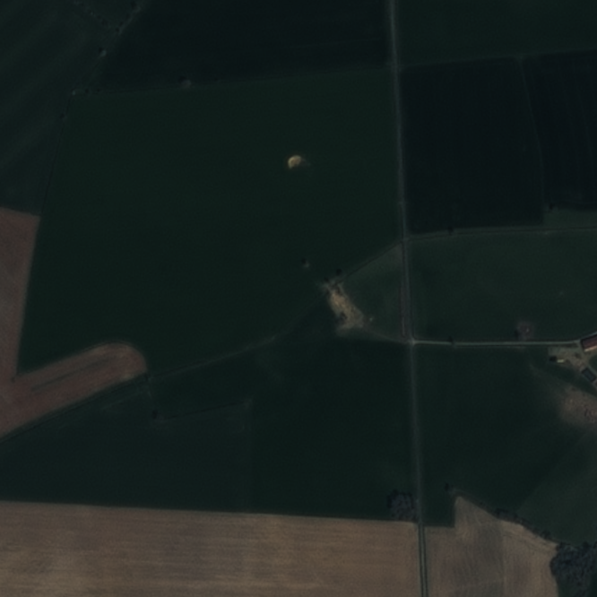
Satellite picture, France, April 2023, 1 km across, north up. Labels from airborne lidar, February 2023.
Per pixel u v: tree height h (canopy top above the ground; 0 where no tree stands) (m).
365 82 0
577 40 0
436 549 0
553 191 0
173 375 0
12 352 0
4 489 0
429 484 0
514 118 0
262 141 0
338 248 0
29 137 0
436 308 0
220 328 0
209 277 0
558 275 0
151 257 0
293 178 0
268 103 0
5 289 0
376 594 0
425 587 0
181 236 0
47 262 0
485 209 0
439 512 0
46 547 0
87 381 0
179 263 0
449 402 0
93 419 0
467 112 0
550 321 0
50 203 0
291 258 0
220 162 0
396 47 0
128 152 0
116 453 0
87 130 0
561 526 0
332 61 0
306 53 0
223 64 0
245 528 0
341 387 0
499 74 0
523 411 0
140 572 0
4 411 0
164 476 0
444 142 0
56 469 0
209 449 0
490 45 0
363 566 0
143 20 0
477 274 0
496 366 0
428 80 0
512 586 0
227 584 0
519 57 0
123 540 0
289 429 0
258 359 0
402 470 0
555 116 0
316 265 0
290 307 0
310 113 0
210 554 0
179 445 0
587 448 0
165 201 0
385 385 0
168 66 0
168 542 0
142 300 0
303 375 0
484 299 0
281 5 0
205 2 0
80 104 0
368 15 0
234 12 0
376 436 0
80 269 0
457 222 0
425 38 0
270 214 0
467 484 0
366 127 0
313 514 0
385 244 0
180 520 0
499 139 0
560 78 0
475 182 0
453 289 0
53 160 0
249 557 0
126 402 0
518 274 0
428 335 0
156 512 0
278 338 0
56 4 0
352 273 0
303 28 0
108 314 0
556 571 14
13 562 0
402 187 0
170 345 0
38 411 0
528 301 0
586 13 0
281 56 0
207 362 0
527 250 0
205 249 0
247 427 0
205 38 0
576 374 0
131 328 0
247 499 0
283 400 0
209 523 0
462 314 0
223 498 0
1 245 0
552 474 0
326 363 0
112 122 0
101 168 0
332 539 0
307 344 0
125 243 0
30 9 0
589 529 0
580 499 0
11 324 0
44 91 0
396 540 0
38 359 0
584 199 0
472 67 0
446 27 0
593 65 0
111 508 0
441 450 0
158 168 0
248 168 0
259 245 0
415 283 0
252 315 0
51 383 0
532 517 0
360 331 0
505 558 0
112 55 0
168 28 0
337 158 0
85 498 0
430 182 0
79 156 0
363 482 0
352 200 0
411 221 0
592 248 0
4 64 0
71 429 0
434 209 0
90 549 0
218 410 0
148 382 12
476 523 0
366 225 0
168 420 0
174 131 0
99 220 0
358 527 0
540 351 0
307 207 0
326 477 0
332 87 0
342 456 0
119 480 0
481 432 0
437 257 0
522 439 0
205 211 0
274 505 0
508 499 0
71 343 0
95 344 0
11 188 0
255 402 0
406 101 0
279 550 0
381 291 0
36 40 0
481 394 0
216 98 0
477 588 0
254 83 0
